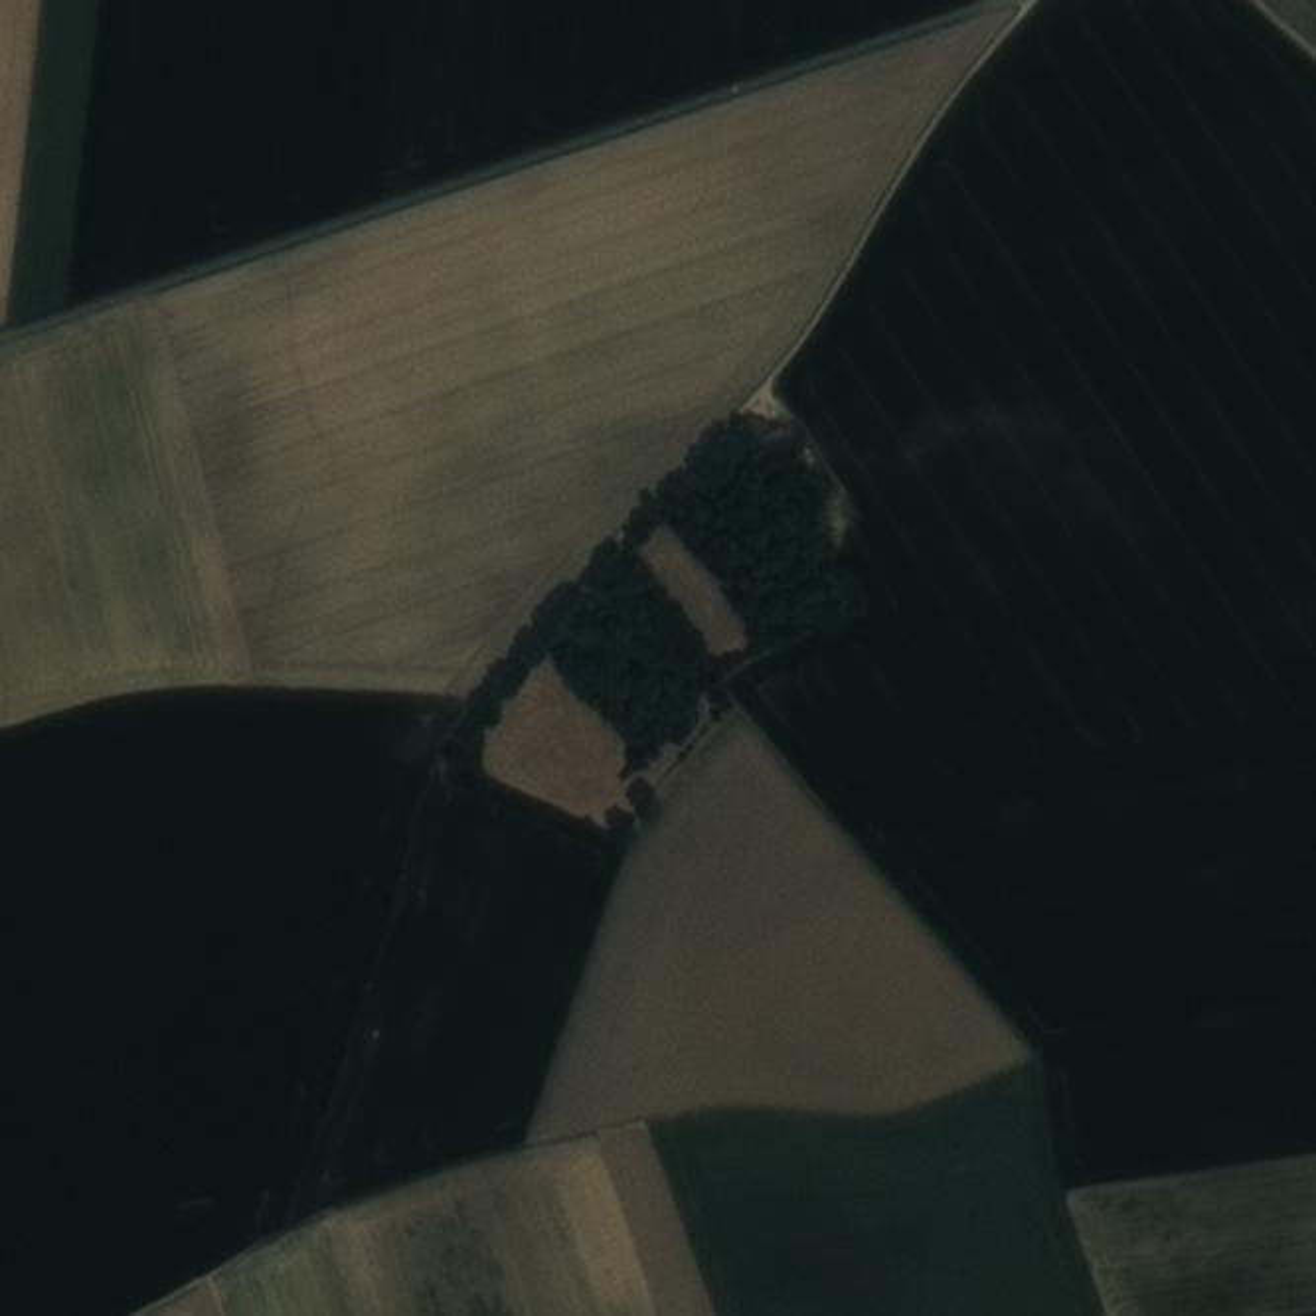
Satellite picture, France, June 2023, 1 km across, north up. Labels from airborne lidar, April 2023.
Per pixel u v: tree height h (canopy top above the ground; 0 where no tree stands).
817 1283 0
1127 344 0
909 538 0
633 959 0
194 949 0
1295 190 0
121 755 0
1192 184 0
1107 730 0
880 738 0
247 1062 0
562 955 0
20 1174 0
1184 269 0
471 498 0
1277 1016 0
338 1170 0
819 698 0
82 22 0
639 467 0
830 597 20
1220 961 0
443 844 0
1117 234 0
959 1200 0
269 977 0
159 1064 0
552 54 0
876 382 0
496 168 0
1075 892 0
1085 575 0
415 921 0
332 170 0
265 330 0
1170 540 0
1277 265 0
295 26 0
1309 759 0
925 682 0
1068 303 0
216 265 0
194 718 0
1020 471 0
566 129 0
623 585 19
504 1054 0
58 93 0
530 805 0
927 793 0
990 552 0
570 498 0
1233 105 0
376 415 0
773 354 0
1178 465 0
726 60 0
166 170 0
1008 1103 0
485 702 18
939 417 0
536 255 0
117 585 0
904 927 0
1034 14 0
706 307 0
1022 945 0
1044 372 0
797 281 0
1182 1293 0
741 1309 0
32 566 0
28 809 0
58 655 0
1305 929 0
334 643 0
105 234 0
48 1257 0
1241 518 0
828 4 0
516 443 0
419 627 0
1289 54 0
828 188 0
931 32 0
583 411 0
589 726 0
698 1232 0
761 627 13
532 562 0
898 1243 0
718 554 25
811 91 0
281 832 0
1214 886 0
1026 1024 0
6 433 0
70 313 0
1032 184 0
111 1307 0
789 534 22
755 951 0
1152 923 0
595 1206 0
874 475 0
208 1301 0
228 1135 0
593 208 0
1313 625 0
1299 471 0
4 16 0
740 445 14
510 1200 0
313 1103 0
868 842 0
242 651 0
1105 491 0
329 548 0
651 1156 0
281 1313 0
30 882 0
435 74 0
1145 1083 0
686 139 0
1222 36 0
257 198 0
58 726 0
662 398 0
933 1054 0
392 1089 0
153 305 0
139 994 0
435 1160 0
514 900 0
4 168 0
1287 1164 0
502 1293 0
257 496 0
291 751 0
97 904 0
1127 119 0
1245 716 0
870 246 0
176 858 0
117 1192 0
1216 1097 0
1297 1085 0
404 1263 0
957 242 0
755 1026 0
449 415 0
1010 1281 0
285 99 0
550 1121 0
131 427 0
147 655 0
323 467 0
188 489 0
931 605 0
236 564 0
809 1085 0
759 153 0
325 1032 0
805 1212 0
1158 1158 0
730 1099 0
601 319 0
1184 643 0
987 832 0
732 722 0
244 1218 0
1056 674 0
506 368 0
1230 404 0
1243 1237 0
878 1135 0
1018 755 0
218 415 0
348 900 0
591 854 0
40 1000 0
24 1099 0
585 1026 0
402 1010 0
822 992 0
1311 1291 0
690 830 0
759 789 0
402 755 0
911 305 0
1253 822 0
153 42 0
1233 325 0
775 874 0
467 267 0
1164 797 0
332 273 0
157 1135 0
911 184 0
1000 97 0
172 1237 0
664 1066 0
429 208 0
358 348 0
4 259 0
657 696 18
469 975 0
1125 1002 0
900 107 0
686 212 0
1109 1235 0
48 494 0
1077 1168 0
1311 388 0
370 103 0
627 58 0
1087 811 0
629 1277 0
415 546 0
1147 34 0
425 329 0
